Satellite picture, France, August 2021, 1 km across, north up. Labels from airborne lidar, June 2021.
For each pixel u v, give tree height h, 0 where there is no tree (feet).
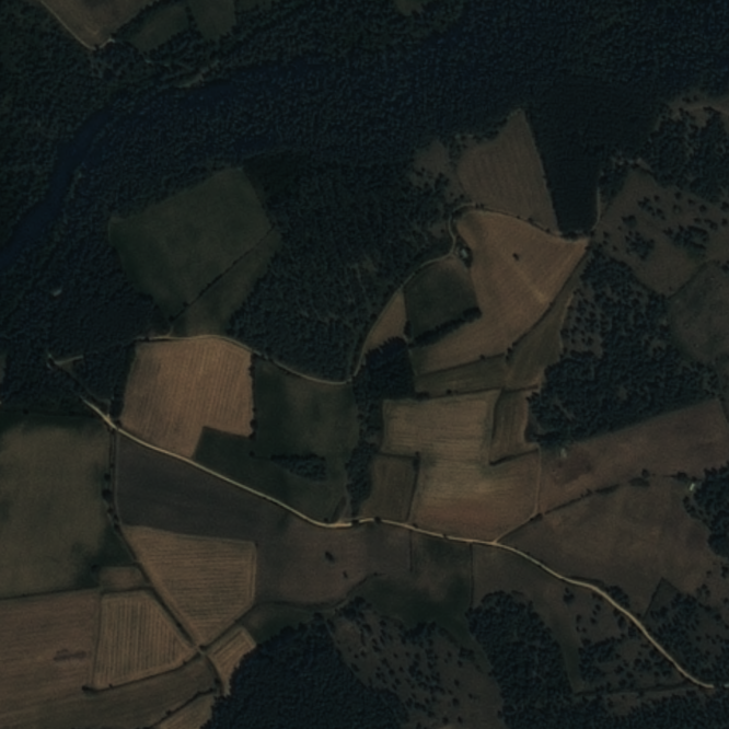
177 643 0
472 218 0
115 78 43
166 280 0
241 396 0
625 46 52
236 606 0
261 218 0
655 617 44
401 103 44
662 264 0
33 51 28
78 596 0
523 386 0
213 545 0
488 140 29
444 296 0
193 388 0
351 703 62
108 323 62
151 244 0
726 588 0
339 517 0
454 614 0
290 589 0
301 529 0
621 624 34
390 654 0
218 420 0
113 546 0
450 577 0
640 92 46
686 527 0
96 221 33
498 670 33
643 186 0
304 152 28
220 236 0
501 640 43
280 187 30
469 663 0
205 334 0
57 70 28
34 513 0
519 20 35
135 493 0
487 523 0
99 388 60
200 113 46
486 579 0
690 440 0
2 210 64
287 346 58
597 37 49
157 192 38
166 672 0
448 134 37
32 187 41
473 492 0
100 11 0
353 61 50
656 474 0
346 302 58
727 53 24
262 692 79
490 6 28
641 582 0
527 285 0
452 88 45
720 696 36
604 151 53
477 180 0
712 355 0
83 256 26
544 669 34
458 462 0
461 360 0
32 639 0
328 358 47
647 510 0
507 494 0
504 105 44
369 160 64
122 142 43
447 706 0
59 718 0
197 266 0
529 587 0
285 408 0
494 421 0
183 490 0
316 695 74
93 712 0
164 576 0
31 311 27
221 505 0
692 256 0
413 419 0
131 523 0
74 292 43
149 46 0
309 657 57
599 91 59
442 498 0
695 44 52
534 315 0
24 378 57
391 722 53
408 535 0
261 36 44
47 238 41
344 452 0
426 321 0
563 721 51
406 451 0
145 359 0
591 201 56
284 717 70
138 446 0
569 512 0
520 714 26
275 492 0
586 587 0
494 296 0
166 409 0
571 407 48
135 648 0
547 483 0
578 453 0
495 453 0
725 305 0
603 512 0
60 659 0
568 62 41
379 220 72
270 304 54
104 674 0
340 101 67
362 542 0
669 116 21
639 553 0
